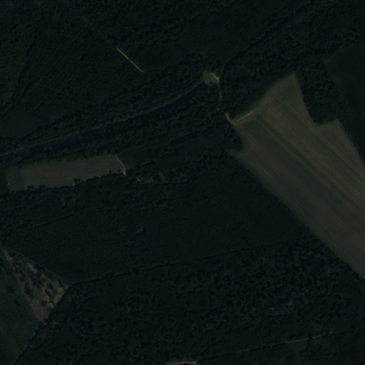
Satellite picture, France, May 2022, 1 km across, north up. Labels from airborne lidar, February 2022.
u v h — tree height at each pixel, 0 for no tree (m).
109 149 25
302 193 0
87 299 9
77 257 11
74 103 7
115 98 32
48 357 29
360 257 0
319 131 0
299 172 0
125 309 34
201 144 24
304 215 0
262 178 0
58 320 9
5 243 14
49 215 7
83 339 23
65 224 8
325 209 0
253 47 23
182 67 25
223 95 26
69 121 22
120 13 29
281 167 0
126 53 8
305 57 23
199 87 0
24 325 0
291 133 0
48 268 9
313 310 13
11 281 0
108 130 18
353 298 10
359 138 0
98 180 16
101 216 9
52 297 26
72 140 0
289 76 0
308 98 13
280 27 27
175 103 0
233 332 11
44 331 28
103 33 20
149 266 16
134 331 28
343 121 11
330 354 6
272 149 0
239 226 13
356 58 0
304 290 33
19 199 22
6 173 0
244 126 0
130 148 18
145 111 27
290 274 31
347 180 0
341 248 0
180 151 21
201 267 11
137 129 29
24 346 0
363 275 0
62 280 0
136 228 16
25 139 24
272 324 13
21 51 0
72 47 10
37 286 27
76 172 0
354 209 0
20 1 17
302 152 0
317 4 24
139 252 19
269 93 0
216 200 11
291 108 0
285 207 9
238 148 14
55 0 11
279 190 0
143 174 23
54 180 0
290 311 32
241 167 12
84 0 30
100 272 9
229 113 17
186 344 9
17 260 29
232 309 30
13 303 0
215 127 15
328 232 0
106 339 32
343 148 0
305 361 7
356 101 0
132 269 7
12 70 0
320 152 0
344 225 0
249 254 7
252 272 26
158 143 13
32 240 8
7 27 16
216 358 14
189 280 34
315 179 0
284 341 0
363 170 0
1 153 22
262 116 0
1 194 0
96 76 9
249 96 20
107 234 7
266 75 25
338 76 0
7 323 0
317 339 0
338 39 26
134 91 25
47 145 0
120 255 9
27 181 0
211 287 32
